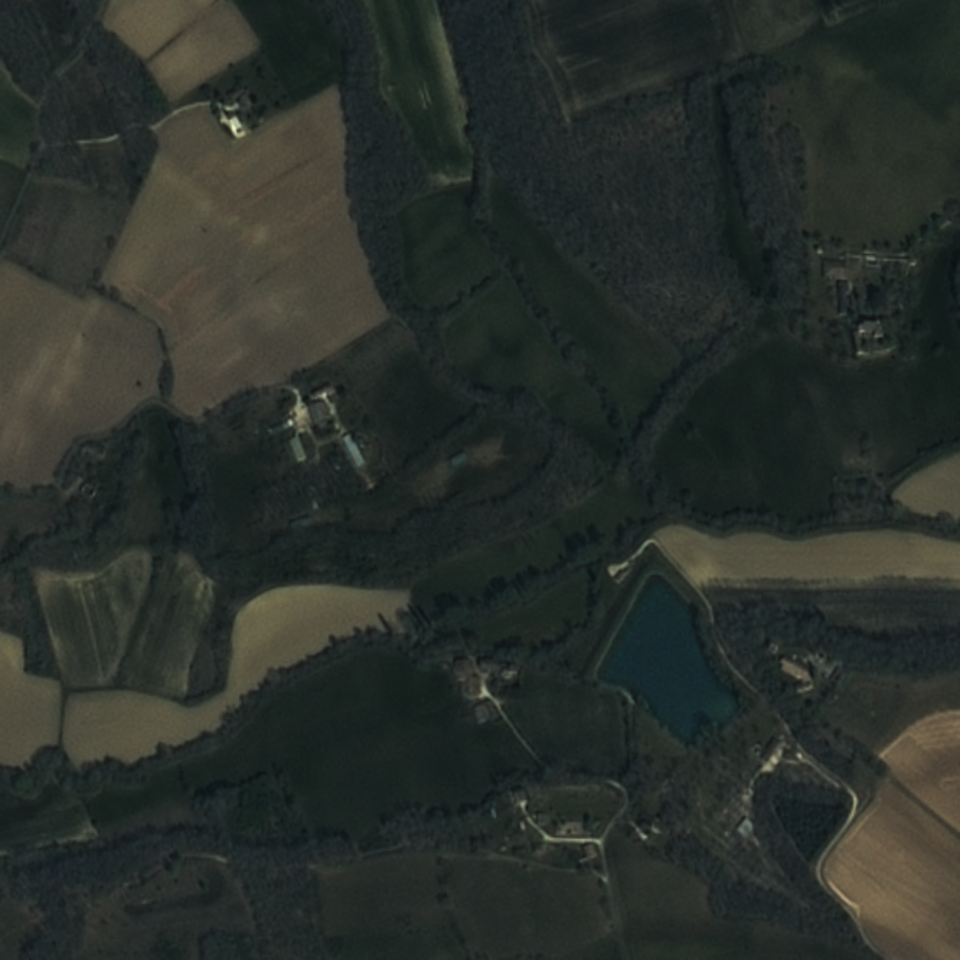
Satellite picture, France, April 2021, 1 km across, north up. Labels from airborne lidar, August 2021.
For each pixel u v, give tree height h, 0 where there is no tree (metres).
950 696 0
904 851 0
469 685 0
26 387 0
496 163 22
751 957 0
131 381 0
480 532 21
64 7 0
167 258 0
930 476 0
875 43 0
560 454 17
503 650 15
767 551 0
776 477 0
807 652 12
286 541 14
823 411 0
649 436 17
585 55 0
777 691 13
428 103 0
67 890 14
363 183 21
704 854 19
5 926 0
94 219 0
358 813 0
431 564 19
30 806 0
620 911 0
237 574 17
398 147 25
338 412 0
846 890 0
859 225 0
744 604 7
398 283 9
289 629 0
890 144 0
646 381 0
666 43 0
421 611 0
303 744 0
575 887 0
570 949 0
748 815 11
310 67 0
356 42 18
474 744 0
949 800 0
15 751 0
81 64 0
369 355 0
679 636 0
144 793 0
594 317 0
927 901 0
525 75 13
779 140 11
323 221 0
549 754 0
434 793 0
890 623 12
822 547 0
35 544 17
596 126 12
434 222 0
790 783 15
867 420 0
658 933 0
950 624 14
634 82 0
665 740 0
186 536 17
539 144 16
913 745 0
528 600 26
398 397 0
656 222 13
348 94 18
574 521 0
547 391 0
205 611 0
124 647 0
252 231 0
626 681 0
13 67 16
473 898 0
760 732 15
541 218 23
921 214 0
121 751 0
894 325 12
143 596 0
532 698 0
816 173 0
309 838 9
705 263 21
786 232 17
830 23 0
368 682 0
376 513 0
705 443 0
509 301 0
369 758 0
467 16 26
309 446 8
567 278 0
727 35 0
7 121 0
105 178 0
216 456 0
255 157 0
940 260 0
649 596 0
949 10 0
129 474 23
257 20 0
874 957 10
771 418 0
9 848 0
